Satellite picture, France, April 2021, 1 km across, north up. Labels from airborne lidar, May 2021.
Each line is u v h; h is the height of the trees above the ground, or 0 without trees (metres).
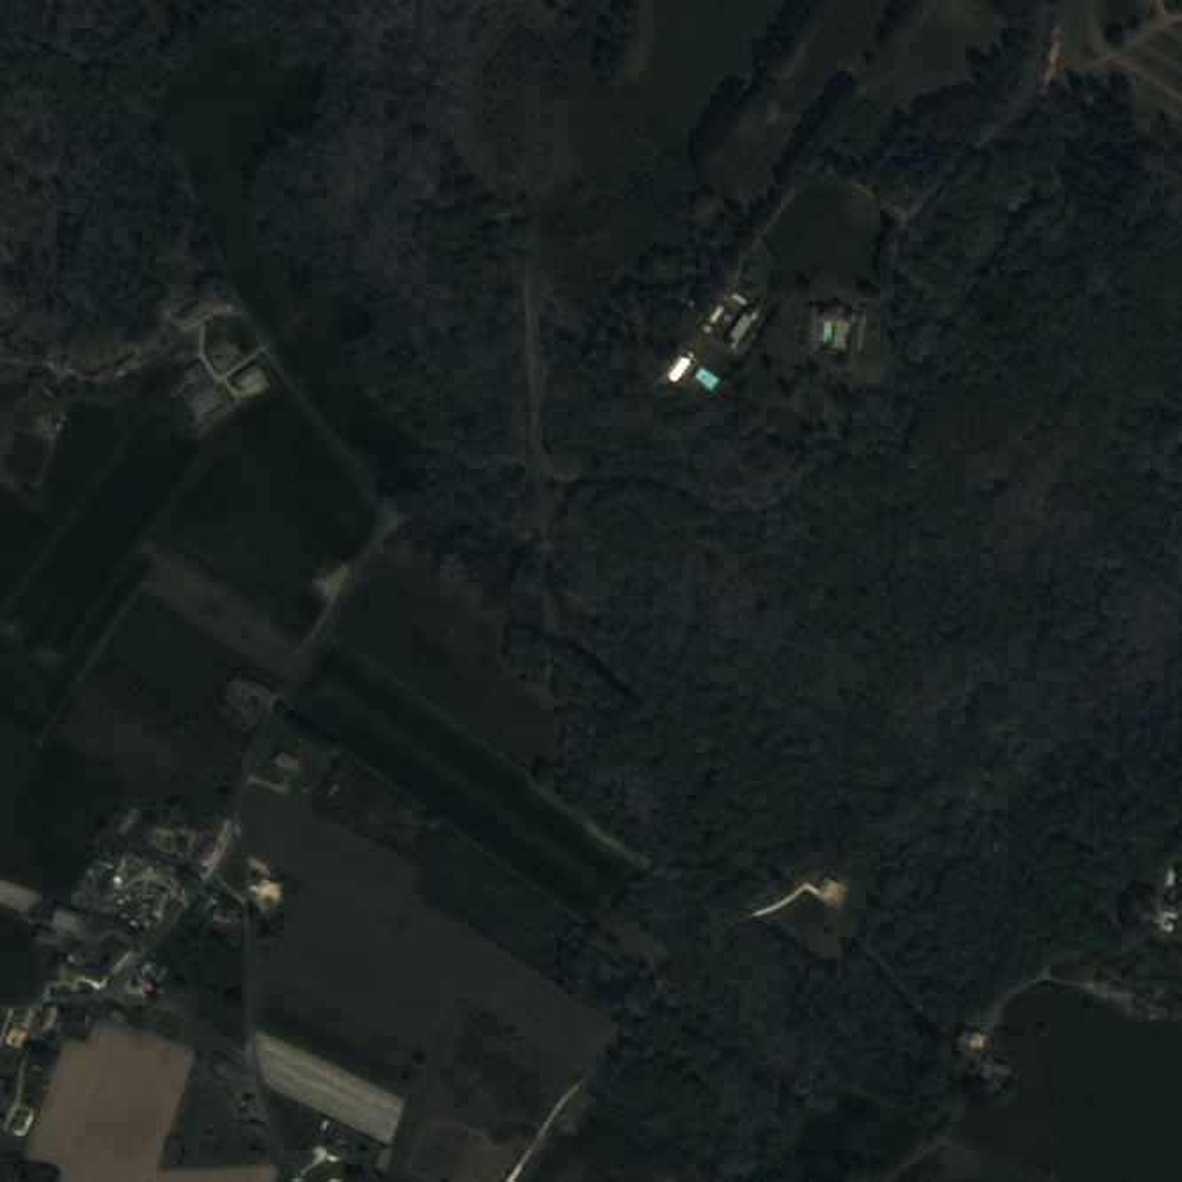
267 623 0
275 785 0
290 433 0
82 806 0
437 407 19
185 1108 0
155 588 0
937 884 17
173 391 0
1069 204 13
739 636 13
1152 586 24
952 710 13
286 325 0
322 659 0
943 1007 25
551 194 0
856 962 23
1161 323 22
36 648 0
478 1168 0
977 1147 0
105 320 16
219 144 0
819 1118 0
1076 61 0
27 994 0
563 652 20
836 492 15
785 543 17
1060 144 23
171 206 17
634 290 13
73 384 7
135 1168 0
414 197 14
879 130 8
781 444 10
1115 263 21
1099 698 19
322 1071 0
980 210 15
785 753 23
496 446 19
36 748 0
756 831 18
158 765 0
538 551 16
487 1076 0
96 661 0
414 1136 0
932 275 15
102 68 23
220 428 0
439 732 0
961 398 26
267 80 0
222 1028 0
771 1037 21
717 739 23
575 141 0
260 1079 0
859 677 19
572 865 0
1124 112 27
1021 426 23
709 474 17
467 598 0
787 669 15
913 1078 21
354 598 0
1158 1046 0
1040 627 23
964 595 15
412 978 0
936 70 0
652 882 5
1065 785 21
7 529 0
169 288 14
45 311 15
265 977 0
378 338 24
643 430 13
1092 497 19
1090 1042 0
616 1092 23
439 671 0
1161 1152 0
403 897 0
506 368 17
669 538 17
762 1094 24
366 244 19
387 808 0
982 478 20
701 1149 19
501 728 0
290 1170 0
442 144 14
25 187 8
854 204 0
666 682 23
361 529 0
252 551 0
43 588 0
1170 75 0
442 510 22
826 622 18
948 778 23
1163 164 24
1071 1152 0
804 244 0
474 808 0
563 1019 0
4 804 0
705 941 15
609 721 18
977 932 23
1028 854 21
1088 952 15
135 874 0
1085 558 24
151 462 0
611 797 17
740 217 13
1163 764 18
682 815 15
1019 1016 0
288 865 0
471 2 12
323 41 17
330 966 0
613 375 17
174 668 0
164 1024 0
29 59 21
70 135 14
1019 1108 0
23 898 0
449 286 17
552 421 16
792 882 25
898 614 14
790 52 16
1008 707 27
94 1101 0
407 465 0
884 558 17
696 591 13
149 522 0
